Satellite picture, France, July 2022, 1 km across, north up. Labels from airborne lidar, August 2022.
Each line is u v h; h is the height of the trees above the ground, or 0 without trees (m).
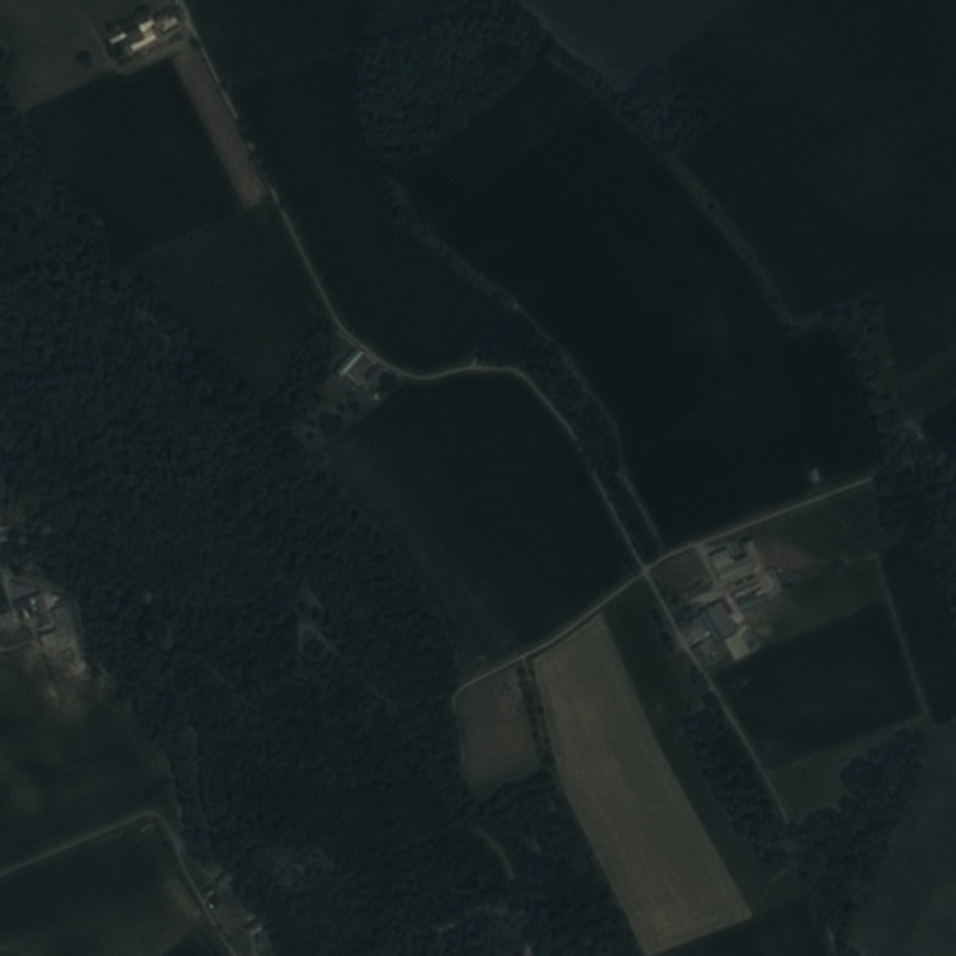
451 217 0
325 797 22
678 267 0
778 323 0
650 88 28
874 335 20
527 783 9
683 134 29
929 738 16
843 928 13
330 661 21
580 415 26
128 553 20
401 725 18
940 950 0
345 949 17
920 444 26
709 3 0
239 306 0
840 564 9
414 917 15
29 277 17
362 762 29
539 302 0
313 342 11
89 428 23
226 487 30
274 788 26
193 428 26
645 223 0
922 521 23
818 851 24
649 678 0
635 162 0
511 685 0
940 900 0
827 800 0
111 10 0
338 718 22
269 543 29
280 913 15
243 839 23
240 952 0
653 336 0
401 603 20
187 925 0
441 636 19
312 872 26
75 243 22
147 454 25
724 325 0
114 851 0
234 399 15
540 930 18
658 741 0
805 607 0
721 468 0
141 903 0
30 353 30
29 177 13
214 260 0
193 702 27
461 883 13
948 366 0
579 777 0
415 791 26
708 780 15
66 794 0
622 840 0
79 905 0
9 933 0
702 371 0
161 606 16
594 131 0
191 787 18
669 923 0
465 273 8
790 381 0
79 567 25
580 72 20
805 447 0
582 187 0
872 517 0
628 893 0
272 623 18
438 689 20
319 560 17
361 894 20
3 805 0
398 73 28
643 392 0
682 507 0
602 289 0
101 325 24
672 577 0
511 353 25
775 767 0
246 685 21
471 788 15
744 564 0
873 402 20
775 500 0
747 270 0
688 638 0
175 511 22
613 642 0
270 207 0
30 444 17
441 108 28
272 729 16
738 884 0
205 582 25
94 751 0
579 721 0
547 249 0
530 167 0
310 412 7
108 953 0
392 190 7
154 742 15
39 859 0
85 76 0
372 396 0
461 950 20
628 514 20
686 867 0
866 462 0
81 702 0
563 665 0
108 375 28
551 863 25
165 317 28
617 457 14
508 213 0
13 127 16
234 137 0
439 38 23
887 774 33
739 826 20
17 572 18
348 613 17
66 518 22
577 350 0
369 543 20
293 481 16
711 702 16
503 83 24
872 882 24
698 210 0
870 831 25
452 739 17
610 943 25
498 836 6
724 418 0
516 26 27
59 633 0
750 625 0
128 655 28
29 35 0
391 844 25
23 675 0
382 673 23
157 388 23
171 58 0
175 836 0
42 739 0
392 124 25
